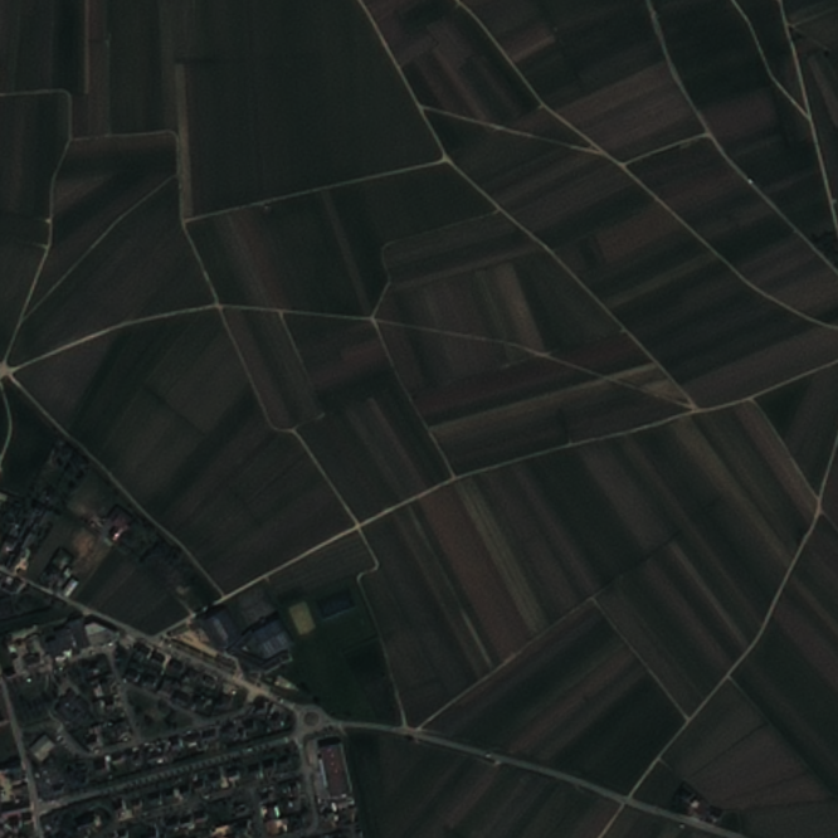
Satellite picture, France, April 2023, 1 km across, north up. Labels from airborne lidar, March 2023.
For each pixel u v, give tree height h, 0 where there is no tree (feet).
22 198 0
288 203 0
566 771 0
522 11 0
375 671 0
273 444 0
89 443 0
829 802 0
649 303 0
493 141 0
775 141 0
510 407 0
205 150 0
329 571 0
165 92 0
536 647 0
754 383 0
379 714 0
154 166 0
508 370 0
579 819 0
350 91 0
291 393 0
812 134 0
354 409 0
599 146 0
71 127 0
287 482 0
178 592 0
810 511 0
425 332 0
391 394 0
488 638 0
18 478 0
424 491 0
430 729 0
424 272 0
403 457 0
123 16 0
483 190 0
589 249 0
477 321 0
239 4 0
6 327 0
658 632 0
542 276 0
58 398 0
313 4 0
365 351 0
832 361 0
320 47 0
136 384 0
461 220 0
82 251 0
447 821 0
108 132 0
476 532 0
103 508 0
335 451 0
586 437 0
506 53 0
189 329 0
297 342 0
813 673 0
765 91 0
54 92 0
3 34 0
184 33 0
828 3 0
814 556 0
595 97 0
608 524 0
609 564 0
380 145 0
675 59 0
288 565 0
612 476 0
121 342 0
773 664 0
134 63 0
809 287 0
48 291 0
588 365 0
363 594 0
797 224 0
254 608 0
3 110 0
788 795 0
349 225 0
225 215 0
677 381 0
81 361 0
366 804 0
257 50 0
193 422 0
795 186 0
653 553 0
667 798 0
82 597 0
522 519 0
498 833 0
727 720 0
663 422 0
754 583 0
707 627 0
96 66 0
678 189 0
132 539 41
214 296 0
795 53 0
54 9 0
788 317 0
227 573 0
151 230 0
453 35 0
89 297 0
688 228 0
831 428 0
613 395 0
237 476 0
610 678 0
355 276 0
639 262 0
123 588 0
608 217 0
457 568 0
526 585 0
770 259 0
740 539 0
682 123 0
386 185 0
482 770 0
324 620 0
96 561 0
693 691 0
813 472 0
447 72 0
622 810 0
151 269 0
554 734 0
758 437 0
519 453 0
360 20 0
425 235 0
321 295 0
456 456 0
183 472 0
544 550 0
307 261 0
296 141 0
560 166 0
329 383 0
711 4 0
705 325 0
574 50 0
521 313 0
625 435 0
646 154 0
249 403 0
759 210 0
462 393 0
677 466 0
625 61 0
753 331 0
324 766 0
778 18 0
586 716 0
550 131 0
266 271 0
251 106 0
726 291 0
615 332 0
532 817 0
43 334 0
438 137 0
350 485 0
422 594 0
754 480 0
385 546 0
